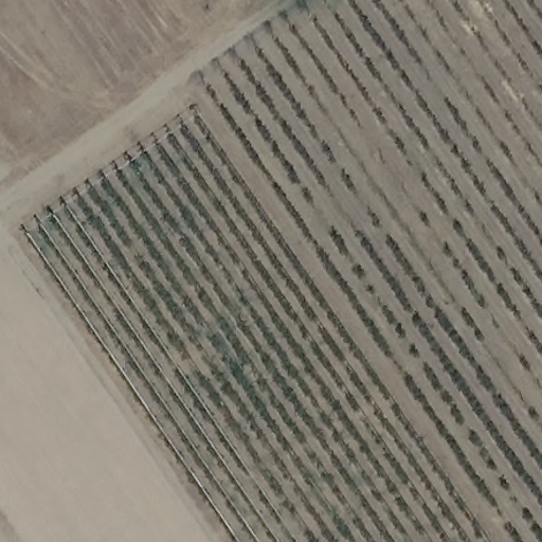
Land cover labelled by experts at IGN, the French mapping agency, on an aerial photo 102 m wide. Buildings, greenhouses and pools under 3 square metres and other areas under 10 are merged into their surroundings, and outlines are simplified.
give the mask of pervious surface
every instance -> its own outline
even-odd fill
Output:
[[[207,66],[214,57],[224,53],[229,47],[233,47],[237,40],[241,40],[248,32],[252,32],[258,25],[252,17],[248,17],[235,23],[235,30],[220,34],[214,42],[203,36],[199,49],[191,51],[184,61],[174,66],[169,72],[159,74],[159,78],[150,87],[146,87],[131,104],[123,106],[104,123],[95,125],[80,138],[76,138],[59,155],[42,163],[30,176],[0,191],[0,210],[4,210],[8,203],[17,199],[34,197],[34,191],[40,191],[44,184],[51,184],[55,176],[64,174],[68,167],[78,163],[85,155],[100,152],[125,127],[144,116],[148,108],[165,100],[176,85],[188,80],[188,76],[195,70]]]

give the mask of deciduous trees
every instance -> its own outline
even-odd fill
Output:
[[[498,180],[504,195],[519,210],[521,218],[542,246],[542,231],[527,212],[527,207],[521,203],[521,199],[514,195],[512,186],[508,184],[500,167],[491,159],[485,161],[487,169]]]
[[[296,478],[290,476],[286,462],[271,447],[254,415],[248,411],[239,394],[227,381],[224,373],[218,366],[212,366],[212,373],[207,377],[201,371],[184,375],[176,366],[176,362],[169,356],[169,349],[176,347],[182,360],[186,360],[191,358],[188,349],[184,347],[182,339],[174,332],[169,322],[163,318],[159,305],[144,288],[144,284],[138,279],[138,275],[131,271],[127,258],[108,235],[104,222],[93,214],[93,210],[87,205],[80,193],[72,195],[72,188],[68,188],[61,193],[61,197],[51,199],[40,212],[34,214],[36,229],[30,229],[23,235],[28,246],[32,246],[38,252],[42,269],[49,273],[51,282],[57,286],[57,290],[70,305],[72,313],[78,318],[85,332],[100,345],[100,351],[114,368],[125,392],[140,407],[146,421],[157,430],[157,438],[174,455],[176,464],[186,476],[186,491],[197,502],[197,508],[203,512],[205,521],[212,525],[214,531],[222,529],[229,542],[320,542],[313,536],[313,531],[305,525],[305,521],[299,517],[299,510],[303,508],[313,517],[313,521],[318,523],[320,531],[328,542],[339,542],[326,527],[320,512],[309,502],[307,493],[296,485]]]
[[[373,0],[373,4],[381,11],[392,32],[402,42],[404,51],[413,57],[415,64],[423,61],[421,55],[411,44],[404,30],[381,0]]]
[[[398,337],[404,337],[400,320],[385,305],[381,307],[381,313],[385,315],[387,324],[396,330]]]
[[[258,296],[267,313],[271,315],[273,324],[282,332],[282,337],[288,341],[296,358],[303,362],[307,375],[318,383],[322,396],[339,415],[341,423],[360,445],[360,451],[373,464],[379,478],[383,478],[387,491],[398,491],[390,474],[381,468],[379,459],[354,426],[354,421],[343,411],[341,402],[332,396],[324,379],[309,362],[303,347],[294,341],[292,332],[279,320],[273,305],[263,294],[258,284],[252,279],[252,275],[243,269],[241,275],[246,284]]]
[[[273,157],[288,174],[288,180],[296,184],[301,178],[294,165],[286,159],[267,125],[258,119],[256,110],[252,110],[250,102],[233,80],[231,72],[227,72],[222,74],[222,78],[231,89],[235,102],[254,121],[263,140],[271,146]]]
[[[324,343],[332,349],[337,360],[345,360],[341,347],[328,335],[328,330],[320,328]]]
[[[442,517],[453,525],[462,542],[470,542],[468,534],[455,519],[455,514],[449,510],[449,506],[442,502],[438,489],[432,485],[415,455],[411,453],[411,449],[402,442],[396,428],[387,421],[381,409],[375,409],[375,417],[392,434],[396,447],[407,455],[415,474],[426,485],[432,500],[442,510]]]
[[[252,218],[246,214],[237,197],[233,195],[233,191],[227,186],[216,165],[201,148],[199,140],[184,125],[180,127],[180,131],[191,144],[191,148],[203,161],[212,178],[216,180],[218,188],[229,197],[237,216],[250,229],[252,237],[258,241],[271,265],[277,269],[279,277],[292,290],[307,318],[315,320],[315,311],[299,290],[299,286],[286,273],[279,258],[273,254],[256,224],[252,222]]]
[[[136,263],[152,282],[155,290],[165,301],[167,309],[178,320],[178,324],[188,332],[191,343],[199,341],[199,332],[193,328],[191,322],[186,322],[184,313],[174,303],[171,294],[161,286],[150,265],[138,254]]]
[[[326,47],[332,51],[345,74],[351,78],[364,102],[373,108],[379,123],[383,123],[387,116],[375,104],[360,76],[343,57],[341,49],[332,42],[328,30],[320,23],[320,17],[313,17],[311,21],[315,32],[324,38]]]
[[[318,133],[318,127],[307,116],[305,108],[294,97],[282,74],[275,70],[267,53],[263,49],[256,49],[254,53],[267,68],[267,74],[273,78],[282,95],[290,102],[296,116],[309,129],[311,138],[322,146],[326,159],[330,163],[337,161],[330,144]]]
[[[371,76],[375,80],[381,78],[383,74],[364,53],[351,28],[339,13],[335,13],[337,25],[358,53],[358,57],[364,61]]]
[[[290,123],[282,116],[271,95],[254,76],[246,59],[241,59],[239,70],[256,89],[256,95],[271,112],[273,121],[292,142],[294,150],[303,157],[309,171],[315,176],[318,184],[326,182],[322,169],[305,148],[305,144],[292,131]]]
[[[534,273],[542,282],[542,267],[527,248],[527,243],[519,237],[508,216],[498,205],[491,205],[491,214],[502,222],[502,227],[512,237],[523,258],[531,265]]]
[[[426,455],[432,470],[445,483],[451,500],[455,500],[457,508],[470,521],[474,536],[481,536],[481,521],[455,489],[447,470],[438,464],[430,447],[426,445],[423,436],[415,430],[411,419],[400,409],[400,404],[392,404],[396,419],[404,426],[407,434],[417,442],[419,451]]]
[[[214,307],[207,292],[195,279],[191,267],[176,252],[169,237],[163,233],[159,220],[150,214],[142,197],[136,193],[133,184],[127,180],[125,174],[119,174],[116,178],[133,197],[142,216],[150,222],[152,231],[159,235],[167,252],[174,256],[186,282],[197,290],[201,303],[207,309]]]
[[[368,15],[356,0],[347,0],[351,11],[358,15],[364,32],[373,38],[373,42],[381,49],[394,72],[415,95],[419,108],[426,112],[426,116],[438,131],[440,140],[457,157],[462,169],[468,174],[478,193],[485,193],[487,188],[478,180],[470,161],[459,150],[455,140],[449,136],[436,112],[421,95],[421,89],[413,85],[407,70],[400,66],[387,42],[381,38],[381,34],[375,30]]]
[[[447,430],[442,419],[432,409],[430,400],[426,398],[426,394],[421,392],[421,387],[407,373],[398,356],[392,351],[390,343],[358,301],[347,279],[335,267],[328,252],[320,246],[320,241],[313,237],[299,210],[288,199],[286,191],[279,186],[279,182],[275,182],[273,174],[258,157],[256,148],[231,114],[231,110],[220,102],[216,89],[207,85],[205,93],[210,95],[212,104],[220,110],[222,119],[241,142],[252,163],[265,176],[267,184],[271,184],[273,193],[286,207],[286,212],[301,229],[303,237],[313,246],[326,273],[343,290],[354,311],[371,332],[373,341],[377,343],[377,347],[383,351],[385,358],[390,358],[396,373],[404,379],[404,385],[421,404],[430,421],[436,426],[438,434],[447,440],[459,466],[478,489],[478,493],[487,500],[489,506],[498,504],[487,483],[476,474],[472,464],[468,462],[455,436]]]
[[[434,197],[440,212],[447,210],[447,201],[430,182],[428,174],[421,174],[419,180],[423,188]]]
[[[320,413],[322,421],[332,432],[332,438],[339,442],[339,447],[351,462],[356,462],[351,447],[332,426],[330,417],[326,413]]]
[[[409,483],[409,476],[402,470],[400,462],[392,455],[385,440],[377,434],[375,442],[383,451],[385,459],[390,462],[390,466],[402,483]]]
[[[445,106],[451,112],[455,125],[462,131],[468,129],[468,123],[459,114],[459,108],[447,97]]]
[[[521,426],[510,404],[504,400],[491,377],[474,358],[474,354],[470,351],[462,335],[455,330],[447,313],[432,299],[430,290],[426,288],[423,279],[419,277],[411,260],[400,250],[398,241],[392,235],[385,239],[394,258],[413,279],[417,292],[434,311],[442,330],[451,337],[459,354],[476,371],[481,385],[491,394],[495,407],[502,411],[514,434],[527,447],[529,455],[542,468],[542,451],[527,434],[527,430]]]
[[[485,449],[485,442],[472,430],[468,434],[470,442],[476,447],[487,468],[495,468],[493,457]]]
[[[91,199],[108,216],[112,229],[119,233],[123,243],[131,246],[131,239],[116,220],[112,207],[97,195],[93,186],[89,188]]]
[[[322,366],[341,387],[341,375],[335,371],[330,360],[318,347],[318,343],[311,343],[311,349],[322,362]]]
[[[398,508],[409,517],[415,531],[421,534],[423,525],[400,495],[396,498]]]
[[[368,402],[371,394],[366,385],[349,366],[345,371],[351,383]]]
[[[318,57],[318,53],[311,49],[307,38],[301,34],[296,25],[290,25],[290,34],[309,55],[322,78],[326,80],[328,89],[335,93],[335,97],[341,100],[341,106],[347,104],[347,95],[343,93],[343,89],[339,89],[332,74]]]
[[[468,269],[459,263],[451,246],[445,243],[442,254],[449,256],[453,269],[462,275],[466,288],[474,286],[474,279],[470,277]]]
[[[243,252],[248,254],[254,269],[260,273],[265,284],[271,288],[279,305],[284,307],[286,315],[296,322],[299,313],[282,294],[277,284],[271,279],[269,271],[263,267],[246,237],[239,233],[237,224],[231,220],[224,205],[214,197],[201,171],[186,157],[176,136],[167,136],[169,144],[178,150],[178,157],[182,157],[186,169],[193,174],[201,191],[207,195],[207,199],[214,203],[216,212],[224,218],[229,231],[235,235]]]
[[[339,502],[345,502],[345,495],[335,483],[332,474],[326,472],[322,459],[315,455],[315,451],[311,451],[307,455],[318,466],[318,472],[322,472],[322,478],[328,483],[330,491],[337,495]]]
[[[398,112],[402,121],[421,142],[421,146],[428,146],[430,142],[426,133],[417,127],[404,104],[400,104]]]
[[[294,76],[301,80],[303,89],[307,89],[315,108],[322,114],[328,114],[328,108],[320,100],[315,87],[309,85],[290,49],[279,38],[273,44],[294,72]]]
[[[495,288],[495,292],[500,294],[500,299],[504,301],[506,309],[512,311],[514,318],[521,315],[521,309],[510,299],[500,277],[495,277],[491,265],[485,260],[478,246],[472,239],[468,239],[466,248],[491,282],[491,286]]]
[[[489,430],[504,457],[510,462],[514,472],[521,476],[521,481],[529,487],[529,491],[542,506],[542,489],[525,470],[523,462],[506,442],[498,426],[491,421],[489,413],[483,409],[481,400],[474,396],[462,373],[449,360],[449,356],[432,335],[426,320],[411,305],[400,282],[392,275],[392,271],[387,269],[387,265],[383,263],[366,233],[362,229],[354,233],[360,239],[366,254],[371,256],[371,260],[375,263],[375,267],[379,269],[379,273],[383,275],[383,279],[394,290],[402,309],[413,318],[413,324],[419,328],[421,337],[428,341],[430,349],[436,354],[442,368],[449,373],[457,390],[466,396],[472,411]]]
[[[102,186],[110,197],[114,197],[119,210],[129,220],[136,235],[142,239],[150,256],[165,273],[169,286],[176,288],[176,294],[182,296],[193,318],[201,324],[203,315],[193,305],[191,296],[182,290],[165,258],[159,254],[146,231],[131,214],[129,205],[114,191],[110,180],[106,180],[102,182]]]
[[[442,542],[445,542],[449,538],[447,531],[438,523],[436,514],[430,510],[430,506],[423,504],[423,514],[430,519],[434,531]]]
[[[235,337],[227,318],[220,315],[216,318],[216,322],[227,332],[227,339],[233,343],[237,356],[233,360],[227,354],[227,347],[222,345],[218,335],[210,337],[212,345],[220,351],[222,362],[241,383],[254,407],[258,409],[260,417],[275,434],[277,442],[288,451],[305,483],[309,487],[315,485],[313,474],[290,447],[275,419],[269,415],[265,402],[254,392],[252,381],[246,377],[243,368],[250,362],[250,356]]]
[[[349,345],[354,358],[364,366],[375,387],[387,400],[387,385],[381,381],[364,351],[358,347],[341,318],[335,313],[318,284],[313,282],[313,277],[309,275],[309,271],[303,267],[299,256],[292,252],[284,235],[279,233],[279,229],[267,216],[256,195],[250,191],[248,182],[239,176],[224,148],[212,136],[210,127],[203,123],[201,116],[195,116],[197,127],[205,136],[207,144],[214,148],[214,152],[220,157],[220,161],[227,165],[233,182],[241,186],[246,199],[256,210],[258,218],[265,222],[277,246],[284,250],[301,279],[305,282],[305,286],[311,290],[313,299],[326,311],[328,320],[339,330],[343,341]]]
[[[311,400],[313,407],[318,404],[318,398],[305,383],[305,379],[299,375],[299,371],[290,364],[282,345],[269,332],[258,311],[252,307],[243,290],[233,279],[233,273],[229,269],[222,269],[227,282],[237,294],[235,299],[229,299],[227,292],[220,288],[218,279],[214,277],[214,273],[207,269],[205,260],[199,256],[193,241],[180,231],[176,218],[169,214],[157,191],[148,184],[144,176],[146,171],[152,171],[159,184],[163,184],[163,188],[167,191],[169,199],[180,210],[188,229],[199,237],[205,252],[214,258],[214,263],[220,263],[220,256],[195,222],[193,214],[174,193],[171,184],[165,180],[152,157],[148,155],[146,146],[138,142],[136,146],[140,157],[123,152],[123,157],[131,165],[142,188],[161,210],[163,220],[176,231],[176,235],[180,235],[182,246],[195,258],[203,277],[214,286],[214,292],[222,301],[222,305],[235,315],[237,326],[250,339],[252,347],[260,356],[267,371],[273,375],[284,396],[292,402],[294,411],[309,426],[311,434],[320,440],[322,449],[330,455],[332,466],[339,470],[356,500],[360,502],[360,506],[366,510],[379,534],[385,538],[385,542],[396,542],[360,489],[362,485],[368,485],[373,498],[381,500],[381,491],[377,489],[375,481],[366,472],[351,476],[332,451],[332,447],[328,447],[324,432],[315,426],[313,417],[296,398],[292,387],[277,373],[273,360],[265,354],[265,349],[260,347],[254,332],[241,315],[243,307],[250,311],[263,337],[279,356],[288,375],[296,379],[303,394]]]
[[[457,180],[449,178],[447,182],[455,193],[457,201],[464,205],[464,210],[468,214],[474,212],[468,195],[459,188]]]
[[[428,381],[442,398],[442,402],[449,407],[453,419],[462,423],[464,415],[459,407],[442,387],[432,366],[423,364]]]
[[[237,265],[239,256],[224,239],[220,227],[212,220],[203,203],[197,199],[191,184],[182,178],[176,161],[159,142],[155,144],[155,148],[159,157],[174,174],[180,188],[186,193],[188,201],[199,210],[199,216],[216,235],[218,243],[227,250],[229,258]]]
[[[536,313],[542,318],[542,303],[538,301],[536,292],[529,288],[521,271],[517,267],[510,271],[514,282],[523,288]]]
[[[290,419],[286,407],[275,398],[265,379],[258,379],[258,385],[269,394],[271,407],[279,411],[284,423],[292,430],[296,440],[305,442],[305,434]]]

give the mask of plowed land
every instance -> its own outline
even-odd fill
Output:
[[[93,214],[104,222],[108,235],[127,258],[131,271],[138,275],[138,279],[144,284],[144,288],[159,305],[163,318],[169,322],[174,332],[182,339],[184,347],[188,349],[191,358],[186,360],[182,360],[176,347],[169,349],[169,356],[176,362],[176,366],[184,375],[201,371],[207,377],[212,373],[212,366],[218,366],[224,373],[227,381],[239,394],[248,411],[254,415],[271,447],[286,462],[290,476],[296,478],[296,485],[307,493],[309,502],[320,512],[326,527],[339,542],[385,542],[385,538],[379,534],[366,510],[360,506],[360,502],[356,500],[339,470],[332,466],[330,455],[322,449],[320,440],[311,434],[309,426],[294,411],[292,402],[284,396],[273,375],[267,371],[260,356],[252,347],[250,339],[237,326],[235,315],[222,305],[222,301],[214,292],[214,286],[203,277],[195,258],[182,246],[180,235],[176,235],[176,231],[163,220],[161,210],[142,188],[131,165],[123,157],[123,152],[140,157],[136,146],[138,142],[146,146],[148,155],[152,157],[165,180],[171,184],[174,193],[193,214],[195,222],[220,256],[220,263],[214,263],[214,258],[205,252],[199,237],[188,229],[180,210],[169,199],[167,191],[163,188],[163,184],[159,184],[152,171],[146,171],[144,176],[148,184],[157,191],[169,214],[176,218],[180,231],[193,241],[199,256],[205,260],[207,269],[214,273],[214,277],[218,279],[220,288],[227,292],[229,299],[235,299],[237,294],[227,282],[222,269],[229,269],[233,273],[233,279],[243,290],[252,307],[258,311],[269,332],[282,345],[290,364],[299,371],[299,375],[305,379],[305,383],[318,398],[318,404],[313,407],[311,400],[303,394],[296,379],[288,375],[279,356],[263,337],[250,311],[243,307],[241,315],[254,332],[260,347],[265,349],[265,354],[273,360],[277,373],[292,387],[296,398],[313,417],[315,426],[324,432],[328,447],[332,447],[332,451],[351,476],[366,472],[375,481],[377,489],[381,491],[381,500],[373,498],[368,485],[362,485],[360,489],[396,542],[442,542],[434,531],[430,519],[423,514],[423,504],[430,506],[430,510],[436,514],[438,523],[447,531],[449,538],[445,542],[462,542],[453,525],[442,517],[442,510],[432,500],[426,485],[415,474],[407,455],[396,447],[392,434],[375,417],[375,409],[381,409],[387,421],[396,428],[402,442],[411,449],[411,453],[415,455],[432,485],[438,489],[442,502],[449,506],[449,510],[455,514],[455,519],[468,534],[470,542],[542,542],[542,506],[529,491],[529,487],[521,481],[521,476],[514,472],[510,462],[504,457],[489,430],[472,411],[466,396],[457,390],[449,373],[442,368],[436,354],[430,349],[428,341],[421,337],[419,328],[413,324],[413,318],[402,309],[394,290],[383,279],[383,275],[379,273],[379,269],[375,267],[375,263],[371,260],[371,256],[366,254],[360,239],[354,233],[362,229],[366,233],[383,263],[387,265],[387,269],[392,271],[392,275],[400,282],[411,305],[426,320],[432,335],[449,356],[449,360],[462,373],[474,396],[481,400],[483,409],[489,413],[491,421],[498,426],[506,442],[523,462],[525,470],[542,489],[542,468],[529,455],[527,447],[514,434],[502,411],[495,407],[491,394],[481,385],[476,371],[459,354],[451,337],[442,330],[434,311],[417,292],[413,279],[394,258],[385,239],[392,235],[398,241],[400,250],[411,260],[419,277],[423,279],[426,288],[430,290],[432,299],[447,313],[455,330],[462,335],[470,351],[474,354],[474,358],[491,377],[504,400],[510,404],[521,426],[527,430],[527,434],[542,451],[542,318],[536,313],[523,288],[514,282],[510,271],[517,267],[521,271],[529,288],[536,292],[538,301],[542,303],[542,282],[534,273],[531,265],[523,258],[512,237],[502,227],[502,222],[491,214],[491,205],[498,205],[508,216],[519,237],[527,243],[527,248],[542,267],[542,246],[521,218],[519,210],[504,195],[498,180],[487,169],[485,161],[491,159],[500,167],[508,184],[512,186],[514,195],[521,199],[521,203],[527,207],[527,212],[542,231],[542,0],[381,0],[404,30],[411,44],[421,55],[423,61],[415,64],[413,57],[404,51],[402,42],[392,32],[381,11],[373,4],[373,0],[356,0],[368,15],[375,30],[381,34],[381,38],[387,42],[400,66],[407,70],[413,85],[421,89],[421,95],[436,112],[449,136],[455,140],[459,150],[470,161],[478,180],[487,188],[485,193],[478,193],[468,174],[462,169],[457,157],[440,140],[438,131],[426,116],[426,112],[419,108],[415,95],[394,72],[381,49],[373,42],[373,38],[364,32],[358,15],[351,11],[347,0],[0,0],[0,191],[30,176],[42,163],[59,155],[76,138],[80,138],[95,125],[104,123],[123,106],[131,104],[146,87],[150,87],[159,78],[159,74],[169,72],[174,66],[184,61],[191,51],[199,49],[203,36],[214,42],[220,34],[235,30],[235,23],[248,17],[252,17],[258,25],[252,32],[248,32],[241,40],[237,40],[233,47],[229,47],[224,53],[214,57],[207,66],[195,70],[188,76],[188,80],[176,85],[165,100],[148,108],[144,116],[125,127],[100,152],[85,155],[78,163],[68,167],[64,174],[55,176],[51,184],[44,184],[40,191],[34,191],[34,197],[17,199],[8,203],[4,210],[0,210],[0,220],[11,229],[15,237],[19,233],[23,235],[30,229],[36,229],[34,214],[40,212],[51,199],[61,197],[61,193],[68,188],[72,188],[72,195],[80,193],[87,205],[93,210]],[[383,74],[381,78],[375,80],[371,76],[364,61],[358,57],[358,53],[337,25],[335,13],[339,13],[351,28],[364,53]],[[345,74],[332,51],[326,47],[324,38],[315,32],[311,21],[313,17],[320,17],[320,23],[328,30],[332,42],[341,49],[343,57],[360,76],[375,104],[387,116],[383,123],[379,123],[373,108],[364,102],[351,78]],[[296,25],[301,34],[307,38],[311,49],[318,53],[318,57],[332,74],[339,89],[343,89],[343,93],[347,95],[347,104],[341,106],[341,100],[335,97],[335,93],[328,89],[326,80],[322,78],[309,55],[290,34],[290,25]],[[328,108],[328,114],[322,114],[315,108],[307,89],[303,89],[301,80],[294,76],[294,72],[273,44],[279,38],[290,49],[309,85],[315,87],[320,100]],[[267,68],[254,53],[256,49],[263,49],[267,53],[275,70],[282,74],[294,97],[305,108],[307,116],[318,127],[318,133],[330,144],[337,161],[330,163],[326,159],[322,146],[311,138],[309,129],[296,116],[290,102],[282,95],[273,78],[267,74]],[[271,112],[256,95],[256,89],[239,70],[241,59],[246,59],[254,76],[271,95],[282,116],[290,123],[292,131],[305,144],[305,148],[322,169],[326,182],[318,184],[315,176],[309,171],[303,157],[294,150],[292,142],[273,121]],[[286,159],[294,165],[301,178],[296,184],[288,180],[288,174],[273,157],[271,146],[263,140],[254,121],[235,102],[231,89],[222,78],[222,74],[227,72],[231,72],[233,80],[250,102],[252,110],[256,110],[258,119],[267,125]],[[231,110],[231,114],[256,148],[258,157],[273,174],[275,182],[279,182],[279,186],[286,191],[288,199],[299,210],[313,237],[320,241],[320,246],[328,252],[335,267],[347,279],[358,301],[390,343],[392,351],[398,356],[407,373],[421,387],[421,392],[426,394],[426,398],[430,400],[432,409],[442,419],[447,430],[455,436],[468,462],[472,464],[476,474],[487,483],[498,504],[489,506],[487,500],[478,493],[478,489],[459,466],[447,440],[438,434],[436,426],[430,421],[421,404],[404,385],[404,379],[396,373],[390,358],[385,358],[383,351],[377,347],[377,343],[373,341],[371,332],[354,311],[343,290],[326,273],[313,246],[303,237],[301,229],[286,212],[286,207],[273,193],[271,184],[267,184],[265,176],[252,163],[241,142],[222,119],[220,110],[212,104],[210,95],[205,93],[207,85],[216,89],[220,102]],[[455,125],[451,112],[445,106],[447,97],[459,108],[459,114],[468,123],[468,129],[462,131]],[[400,104],[404,104],[417,127],[426,133],[430,142],[428,146],[421,146],[421,142],[402,121],[398,112]],[[303,267],[309,271],[309,275],[313,277],[313,282],[318,284],[335,313],[341,318],[358,347],[364,351],[381,381],[387,385],[387,400],[375,387],[364,366],[354,358],[349,345],[343,341],[339,330],[328,320],[326,311],[313,299],[311,290],[305,286],[305,282],[301,279],[284,250],[277,246],[265,222],[258,218],[256,210],[246,199],[241,186],[233,182],[227,165],[220,161],[220,157],[214,152],[214,148],[207,144],[205,136],[197,127],[195,116],[201,116],[203,123],[210,127],[212,136],[224,148],[239,176],[248,182],[250,191],[256,195],[267,216],[279,229],[279,233],[284,235],[292,252],[299,256]],[[252,237],[250,229],[237,216],[229,197],[218,188],[216,180],[212,178],[203,161],[191,148],[191,144],[180,131],[180,127],[184,125],[199,140],[201,148],[216,165],[227,186],[233,191],[233,195],[237,197],[246,214],[252,218],[252,222],[256,224],[273,254],[279,258],[286,273],[299,286],[299,290],[315,311],[315,320],[307,318],[292,290],[279,277],[277,269],[271,265],[258,241]],[[214,203],[207,199],[207,195],[201,191],[193,174],[186,169],[182,157],[178,157],[178,150],[169,144],[167,136],[176,136],[186,157],[201,171],[214,197],[224,205],[231,220],[237,224],[239,233],[246,237],[263,267],[269,271],[271,279],[277,284],[282,294],[299,313],[296,322],[286,315],[284,307],[279,305],[271,288],[265,284],[260,273],[254,269],[248,254],[243,252],[235,235],[229,231],[224,218],[216,212]],[[188,201],[186,193],[180,188],[174,174],[159,157],[155,148],[155,144],[159,142],[176,161],[182,178],[191,184],[197,199],[203,203],[212,220],[220,227],[224,239],[239,256],[237,265],[229,258],[227,250],[218,243],[216,235],[199,216],[199,210]],[[214,307],[207,309],[201,303],[197,290],[186,282],[174,256],[167,252],[159,235],[152,231],[150,222],[142,216],[133,197],[116,178],[119,174],[125,174],[127,180],[133,184],[136,193],[142,197],[150,214],[159,220],[163,233],[169,237],[176,252],[191,267],[195,279],[207,292]],[[421,174],[428,174],[430,182],[447,201],[447,210],[440,212],[434,197],[423,188],[419,180]],[[474,212],[468,214],[464,210],[464,205],[457,201],[455,193],[447,182],[449,178],[457,180],[459,188],[468,195]],[[136,235],[129,220],[119,210],[114,197],[110,197],[102,186],[102,182],[106,180],[110,180],[114,191],[129,205],[131,214],[146,231],[159,254],[165,258],[182,290],[191,296],[193,305],[203,315],[201,324],[193,318],[182,296],[176,294],[176,288],[169,286],[165,273],[150,256],[142,239]],[[116,220],[131,239],[131,246],[123,243],[119,233],[112,229],[108,216],[91,199],[89,188],[93,186],[97,195],[112,207]],[[521,309],[521,315],[514,318],[512,311],[506,309],[504,301],[500,299],[500,294],[495,292],[495,288],[491,286],[491,282],[466,248],[468,239],[472,239],[478,246],[485,260],[491,265],[495,277],[500,277],[510,299]],[[445,243],[451,246],[459,263],[468,269],[470,277],[474,279],[474,286],[466,288],[462,275],[453,269],[449,256],[442,254]],[[184,313],[186,322],[191,322],[193,328],[199,332],[199,341],[191,343],[188,332],[178,324],[178,320],[167,309],[165,301],[155,290],[152,282],[136,263],[138,254],[150,265],[161,286],[171,294],[174,303]],[[303,347],[309,362],[324,379],[332,396],[341,402],[343,411],[354,421],[354,426],[379,459],[381,468],[390,474],[398,491],[387,491],[383,478],[379,478],[373,464],[360,451],[360,445],[341,423],[339,415],[322,396],[318,383],[307,375],[303,362],[296,358],[288,341],[282,337],[282,332],[273,324],[271,315],[267,313],[258,296],[246,284],[241,275],[243,269],[252,275],[252,279],[258,284],[263,294],[273,305],[279,320],[292,332],[294,341]],[[398,337],[396,330],[387,324],[385,315],[381,313],[381,307],[385,305],[400,320],[404,337]],[[269,415],[275,419],[290,447],[313,474],[315,485],[309,487],[305,483],[288,451],[277,442],[275,434],[260,417],[258,409],[254,407],[241,383],[222,362],[220,351],[212,345],[210,337],[218,335],[222,345],[227,347],[227,354],[233,360],[237,356],[233,343],[227,339],[227,332],[216,322],[216,318],[220,315],[227,318],[235,337],[250,356],[250,362],[243,368],[246,377],[252,381],[254,392],[265,402]],[[328,335],[341,347],[345,360],[337,360],[332,349],[324,343],[320,328],[328,330]],[[335,371],[341,375],[341,387],[322,366],[322,362],[311,349],[311,343],[318,343],[318,347],[330,360]],[[464,415],[462,423],[453,419],[449,407],[442,402],[442,398],[428,381],[423,364],[432,366],[442,387],[459,407]],[[366,385],[371,394],[368,402],[351,383],[345,371],[349,366]],[[275,398],[286,407],[290,419],[305,434],[305,442],[296,440],[292,430],[284,423],[279,411],[271,407],[269,394],[258,385],[258,379],[265,379]],[[430,447],[438,464],[447,470],[455,489],[481,521],[481,536],[474,536],[470,521],[457,508],[455,500],[451,500],[445,483],[432,470],[426,455],[419,451],[417,442],[407,434],[404,426],[396,419],[392,404],[400,404],[400,409],[411,419],[415,430],[423,436],[426,445]],[[330,417],[332,426],[351,447],[356,462],[351,462],[339,447],[339,442],[332,438],[332,432],[322,421],[320,413],[326,413]],[[487,468],[476,447],[470,442],[468,434],[472,430],[485,442],[485,449],[493,457],[495,468]],[[383,451],[375,442],[377,434],[385,440],[392,455],[400,462],[402,470],[409,476],[409,483],[402,483],[390,466],[390,462],[385,459]],[[322,478],[322,472],[318,472],[318,466],[307,455],[311,451],[315,451],[315,455],[322,459],[326,472],[332,474],[335,483],[345,495],[345,502],[339,502],[337,495],[330,491],[328,483]],[[398,508],[396,498],[400,495],[423,525],[421,534],[415,531],[409,517]]]
[[[305,521],[305,525],[313,531],[313,536],[320,542],[328,542],[320,531],[318,523],[313,521],[313,517],[303,508],[299,510],[299,517]]]

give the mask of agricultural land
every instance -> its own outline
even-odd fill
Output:
[[[78,318],[72,313],[70,305],[57,290],[57,286],[51,282],[49,273],[42,269],[38,252],[32,246],[28,246],[23,235],[19,233],[15,237],[11,229],[0,220],[0,542],[229,542],[222,529],[214,531],[212,525],[205,521],[203,512],[197,508],[197,502],[186,491],[186,476],[176,464],[174,455],[157,438],[157,430],[146,421],[140,407],[125,392],[114,368],[100,351],[100,345],[85,332]]]

